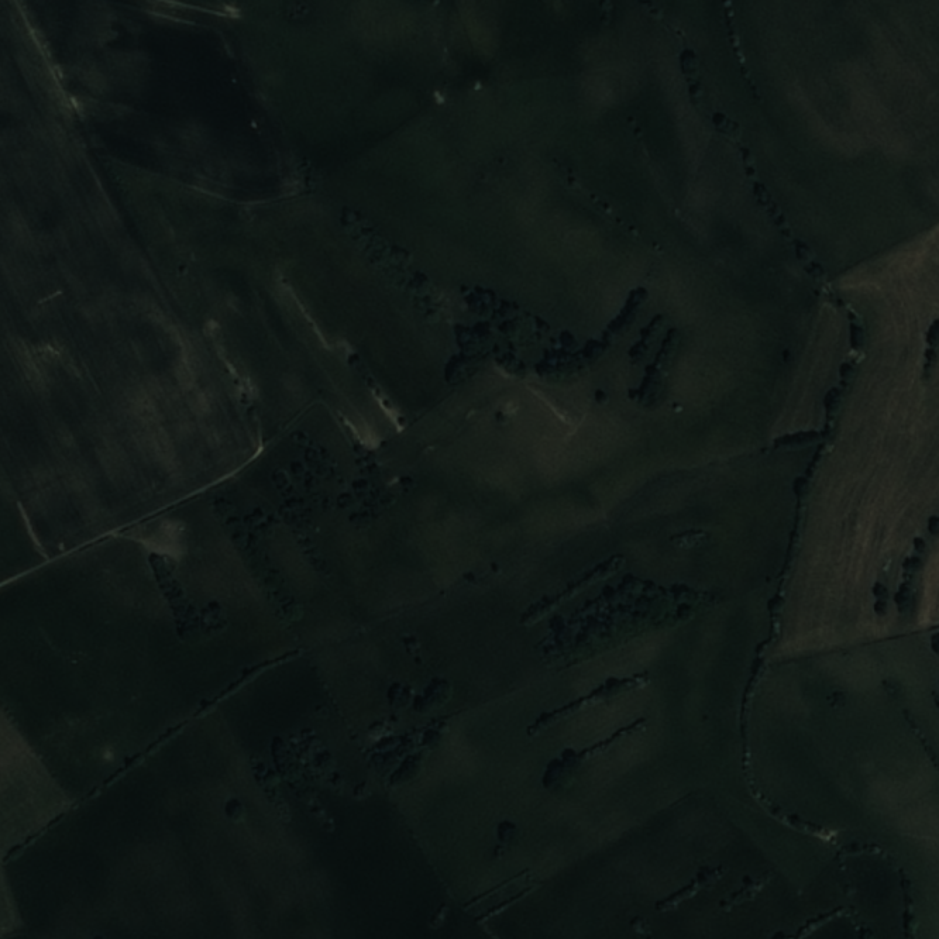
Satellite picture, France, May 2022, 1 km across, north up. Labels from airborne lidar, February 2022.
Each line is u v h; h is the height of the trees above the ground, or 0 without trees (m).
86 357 0
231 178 0
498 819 0
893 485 0
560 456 0
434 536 0
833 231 0
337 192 0
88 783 0
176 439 0
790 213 0
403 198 0
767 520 0
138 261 0
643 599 17
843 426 0
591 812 0
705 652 0
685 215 0
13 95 0
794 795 0
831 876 0
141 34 0
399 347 0
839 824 0
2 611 0
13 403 0
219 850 0
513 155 0
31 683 0
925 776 0
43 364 0
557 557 0
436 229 0
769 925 0
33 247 0
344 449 0
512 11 0
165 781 0
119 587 0
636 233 7
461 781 0
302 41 0
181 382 0
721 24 0
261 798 0
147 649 0
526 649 0
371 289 0
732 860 0
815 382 0
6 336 0
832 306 0
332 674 0
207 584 0
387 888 0
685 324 0
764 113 0
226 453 0
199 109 0
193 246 0
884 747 0
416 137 0
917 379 0
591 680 0
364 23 0
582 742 0
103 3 0
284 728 0
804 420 0
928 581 0
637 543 0
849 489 0
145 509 0
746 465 0
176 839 0
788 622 0
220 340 0
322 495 7
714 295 0
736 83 0
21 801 0
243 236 0
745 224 0
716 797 0
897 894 0
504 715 0
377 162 0
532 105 0
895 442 0
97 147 0
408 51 0
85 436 0
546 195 0
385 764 14
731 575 0
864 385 0
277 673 0
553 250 0
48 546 0
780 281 0
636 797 0
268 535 10
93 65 0
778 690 0
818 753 0
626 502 0
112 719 0
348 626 0
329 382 0
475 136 0
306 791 15
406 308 0
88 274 0
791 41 0
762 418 0
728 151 0
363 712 0
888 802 0
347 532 0
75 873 0
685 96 0
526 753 0
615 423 0
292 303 0
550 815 0
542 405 0
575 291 0
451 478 0
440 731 9
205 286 0
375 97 0
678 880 0
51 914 0
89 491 0
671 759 0
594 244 0
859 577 0
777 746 0
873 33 0
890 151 0
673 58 0
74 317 0
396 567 0
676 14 0
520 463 0
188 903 0
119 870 0
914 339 0
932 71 0
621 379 0
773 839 0
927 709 0
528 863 0
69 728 0
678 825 0
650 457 0
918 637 0
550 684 0
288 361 0
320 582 0
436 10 0
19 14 0
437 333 0
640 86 0
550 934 0
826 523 0
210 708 12
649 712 0
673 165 0
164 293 0
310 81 0
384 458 0
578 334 0
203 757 0
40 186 0
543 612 12
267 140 0
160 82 0
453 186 0
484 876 0
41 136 0
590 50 0
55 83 0
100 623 0
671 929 0
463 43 0
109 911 0
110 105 0
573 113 0
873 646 0
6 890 0
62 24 0
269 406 0
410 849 0
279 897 0
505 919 0
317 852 0
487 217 0
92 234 0
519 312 13
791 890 0
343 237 0
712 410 0
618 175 0
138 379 0
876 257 0
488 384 0
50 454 0
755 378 0
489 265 0
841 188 0
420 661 9
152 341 0
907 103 0
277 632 0
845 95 0
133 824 0
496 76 0
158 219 0
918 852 0
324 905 0
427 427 0
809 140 0
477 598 0
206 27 0
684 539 6
